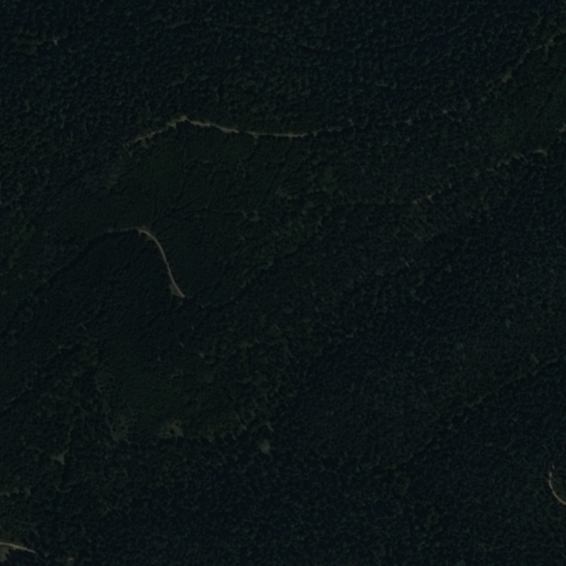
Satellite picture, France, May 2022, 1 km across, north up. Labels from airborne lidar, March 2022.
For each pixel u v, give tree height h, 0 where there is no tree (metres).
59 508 26
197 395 16
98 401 28
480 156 30
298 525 31
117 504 33
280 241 25
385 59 23
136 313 18
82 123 28
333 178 24
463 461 10
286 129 9
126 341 12
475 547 28
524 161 18
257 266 18
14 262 22
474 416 26
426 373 27
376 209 27
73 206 17
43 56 31
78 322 26
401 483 25
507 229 35
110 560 33
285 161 9
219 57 26
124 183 14
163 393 9
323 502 39
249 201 11
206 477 39
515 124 7
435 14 26
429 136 20
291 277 25
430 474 29
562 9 17
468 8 13
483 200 33
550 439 29
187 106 19
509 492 22
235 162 8
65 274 27
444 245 21
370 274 28
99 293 30
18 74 28
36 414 17
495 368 33
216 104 15
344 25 17
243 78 23
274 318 32
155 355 17
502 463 27
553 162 18
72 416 28
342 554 35
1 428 25
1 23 25
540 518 29
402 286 23
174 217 16
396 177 23
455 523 38
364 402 16
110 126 25
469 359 27
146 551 7
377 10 21
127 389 7
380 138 26
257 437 30
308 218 10
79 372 27
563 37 18
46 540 29
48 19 27
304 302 33
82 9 38
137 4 17
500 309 25
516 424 10
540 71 15
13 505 10
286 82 27
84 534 24
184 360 11
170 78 20
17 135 24
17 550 0
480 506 11
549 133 15
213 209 13
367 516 15
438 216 30
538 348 29
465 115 33
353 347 30
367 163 20
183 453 33
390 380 31
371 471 15
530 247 20
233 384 22
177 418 6
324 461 18
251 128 9
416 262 32
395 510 32
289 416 33
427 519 38
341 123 19
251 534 22
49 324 24
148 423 11
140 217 17
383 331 26
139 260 20
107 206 19
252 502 37
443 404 35
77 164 24
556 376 19
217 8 31
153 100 23
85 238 17
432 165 22
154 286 18
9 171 25
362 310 29
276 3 25
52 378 31
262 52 22
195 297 19
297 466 30
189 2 28
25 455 33
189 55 24
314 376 25
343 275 29
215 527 31
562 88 7
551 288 23
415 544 34
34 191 28
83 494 19
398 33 28
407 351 34
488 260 32
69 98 26
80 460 24
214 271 18
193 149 13
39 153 25
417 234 34
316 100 23
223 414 14
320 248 29
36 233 24
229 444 41
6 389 18
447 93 32
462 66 24
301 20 26
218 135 12
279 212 15
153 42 22
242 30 16
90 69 25
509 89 16
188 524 10
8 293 24
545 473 11
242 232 8
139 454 29
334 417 24
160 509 7
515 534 31
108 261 23
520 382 19
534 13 25
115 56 24
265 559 16
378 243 33
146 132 19
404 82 31
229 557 20
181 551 33
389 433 23
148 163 10
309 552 28
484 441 32
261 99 12
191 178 13
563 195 15
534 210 21
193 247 15
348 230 32
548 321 30
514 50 11
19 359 23
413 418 25
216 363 25
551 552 29
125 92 29
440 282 24
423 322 32
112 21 21
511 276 32
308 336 26
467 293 28
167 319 17
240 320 33
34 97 29
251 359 28
